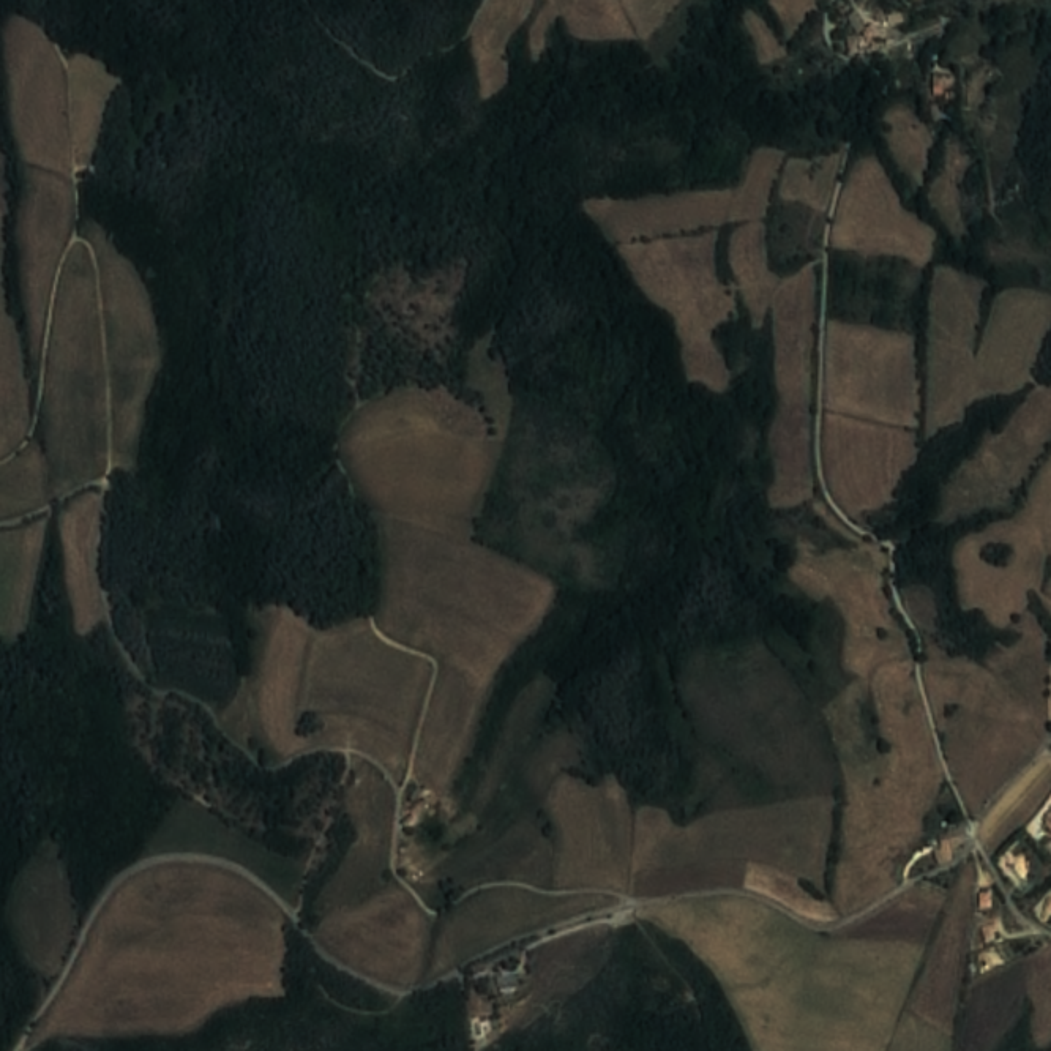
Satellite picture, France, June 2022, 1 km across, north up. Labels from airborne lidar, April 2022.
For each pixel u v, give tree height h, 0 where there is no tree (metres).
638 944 0
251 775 11
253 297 12
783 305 0
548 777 0
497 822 0
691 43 17
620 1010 7
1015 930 0
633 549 7
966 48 0
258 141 14
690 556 18
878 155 6
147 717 14
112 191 9
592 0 0
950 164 0
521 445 0
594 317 20
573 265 16
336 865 7
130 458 0
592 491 0
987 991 0
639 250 0
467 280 8
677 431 20
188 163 15
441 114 10
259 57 12
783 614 14
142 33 17
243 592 9
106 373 0
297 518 13
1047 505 0
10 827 6
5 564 0
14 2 14
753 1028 0
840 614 0
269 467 13
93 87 0
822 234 0
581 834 0
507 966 10
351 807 0
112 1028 0
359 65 11
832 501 0
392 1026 0
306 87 10
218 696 7
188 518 14
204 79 13
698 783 0
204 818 0
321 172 15
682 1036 8
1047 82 7
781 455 0
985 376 0
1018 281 0
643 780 7
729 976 0
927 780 0
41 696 15
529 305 10
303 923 10
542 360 12
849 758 0
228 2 14
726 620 11
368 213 12
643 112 11
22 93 0
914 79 6
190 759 9
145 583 21
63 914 0
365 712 0
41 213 0
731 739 0
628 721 13
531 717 0
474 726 0
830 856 8
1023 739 0
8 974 12
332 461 12
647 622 21
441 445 0
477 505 0
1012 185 6
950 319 0
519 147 10
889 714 0
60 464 0
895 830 0
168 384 8
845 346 0
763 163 0
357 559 13
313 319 13
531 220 20
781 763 0
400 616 0
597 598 8
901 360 0
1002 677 0
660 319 9
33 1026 9
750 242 0
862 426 0
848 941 0
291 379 16
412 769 0
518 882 0
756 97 16
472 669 0
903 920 0
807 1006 0
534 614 0
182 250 10
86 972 0
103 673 7
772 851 0
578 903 0
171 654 8
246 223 13
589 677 16
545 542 0
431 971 0
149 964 0
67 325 0
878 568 0
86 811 7
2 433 0
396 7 7
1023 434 0
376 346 15
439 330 8
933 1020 0
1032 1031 0
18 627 0
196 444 6
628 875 0
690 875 0
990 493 0
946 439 9
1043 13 7
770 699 0
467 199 9
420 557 0
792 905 0
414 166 12
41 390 0
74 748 11
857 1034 0
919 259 0
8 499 0
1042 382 10
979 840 0
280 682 0
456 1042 10
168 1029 0
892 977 0
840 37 11
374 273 9
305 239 15
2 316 0
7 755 15
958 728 0
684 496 22
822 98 22
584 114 9
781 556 12
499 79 0
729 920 0
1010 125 0
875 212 0
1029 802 0
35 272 0
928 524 10
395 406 0
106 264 0
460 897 10
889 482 0
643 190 8
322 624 14
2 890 7
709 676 0
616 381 16
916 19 9
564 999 0
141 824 5
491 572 0
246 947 0
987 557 7
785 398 0
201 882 0
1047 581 0
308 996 6
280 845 11
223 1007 0
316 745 0
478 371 0
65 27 17
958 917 0
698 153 11
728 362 7
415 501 0
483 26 0
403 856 0
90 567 0
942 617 6
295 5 7
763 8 5
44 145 0
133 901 0
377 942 0
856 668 0
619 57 12
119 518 12
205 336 12
